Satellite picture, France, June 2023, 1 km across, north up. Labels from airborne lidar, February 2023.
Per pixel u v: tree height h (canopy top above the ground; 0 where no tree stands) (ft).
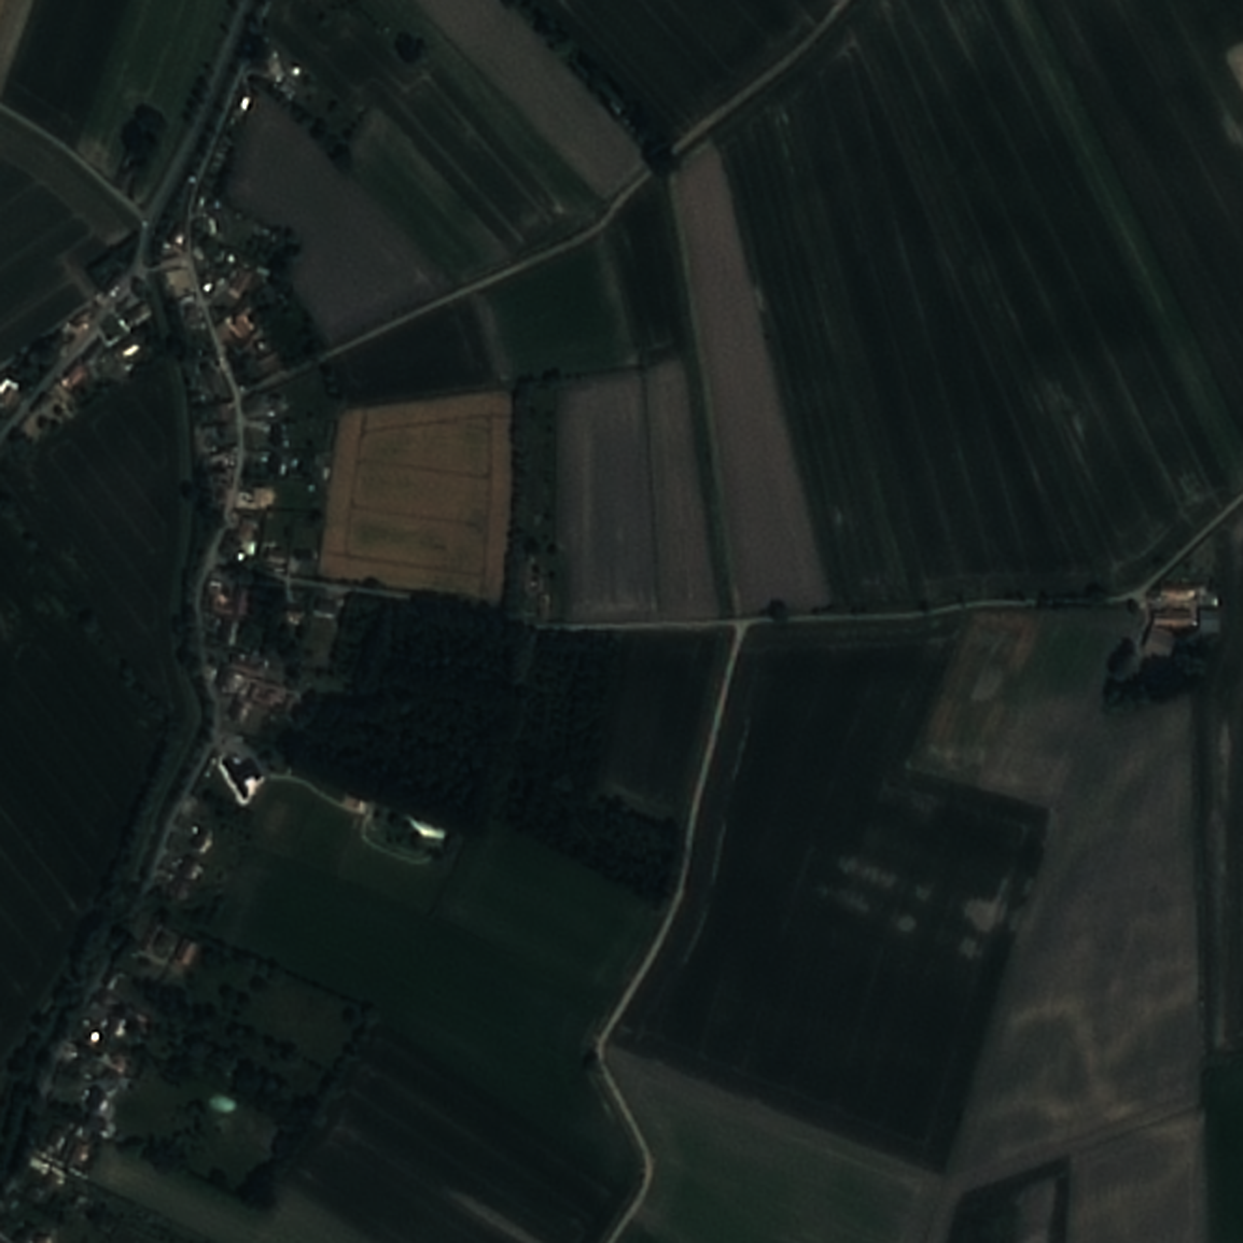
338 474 0
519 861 0
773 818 0
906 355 0
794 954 0
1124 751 0
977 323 0
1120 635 0
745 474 0
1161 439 0
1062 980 0
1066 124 0
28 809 0
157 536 0
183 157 0
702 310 0
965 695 0
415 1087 0
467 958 0
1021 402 0
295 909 0
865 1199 0
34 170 0
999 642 0
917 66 0
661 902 60
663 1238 0
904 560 0
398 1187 0
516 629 89
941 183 0
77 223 0
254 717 0
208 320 0
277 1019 0
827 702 0
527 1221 0
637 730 0
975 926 0
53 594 0
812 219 0
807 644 0
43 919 0
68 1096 0
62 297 0
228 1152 0
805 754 0
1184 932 0
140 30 0
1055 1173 0
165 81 0
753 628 0
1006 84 0
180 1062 35
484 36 0
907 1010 0
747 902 0
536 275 0
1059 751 0
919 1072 0
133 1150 27
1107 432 0
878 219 0
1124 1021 0
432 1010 0
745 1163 0
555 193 0
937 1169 0
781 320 0
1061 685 0
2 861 0
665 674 0
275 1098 49
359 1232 0
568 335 0
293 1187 0
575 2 0
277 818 0
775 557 0
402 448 0
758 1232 0
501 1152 0
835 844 0
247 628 32
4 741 0
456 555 0
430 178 0
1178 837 0
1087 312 0
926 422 0
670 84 0
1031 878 0
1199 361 0
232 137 32
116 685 0
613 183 0
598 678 56
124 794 0
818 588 0
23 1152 38
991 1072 0
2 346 0
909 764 0
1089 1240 0
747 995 0
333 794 0
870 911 0
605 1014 0
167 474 0
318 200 0
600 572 0
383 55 0
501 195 0
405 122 0
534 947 0
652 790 0
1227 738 0
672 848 55
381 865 0
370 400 0
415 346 0
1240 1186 0
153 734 0
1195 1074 0
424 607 83
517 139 0
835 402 0
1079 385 0
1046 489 0
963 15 0
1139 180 0
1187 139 0
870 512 0
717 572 0
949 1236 0
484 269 0
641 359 0
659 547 0
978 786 0
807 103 0
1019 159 0
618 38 0
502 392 0
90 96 0
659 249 0
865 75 0
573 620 0
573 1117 0
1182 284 0
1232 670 0
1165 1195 0
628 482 0
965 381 0
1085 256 0
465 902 0
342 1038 0
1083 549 0
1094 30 0
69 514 0
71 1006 45
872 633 0
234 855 0
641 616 0
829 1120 0
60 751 0
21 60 0
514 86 0
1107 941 0
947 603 0
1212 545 0
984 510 0
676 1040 0
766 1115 0
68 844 0
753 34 0
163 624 0
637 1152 0
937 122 0
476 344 0
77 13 0
